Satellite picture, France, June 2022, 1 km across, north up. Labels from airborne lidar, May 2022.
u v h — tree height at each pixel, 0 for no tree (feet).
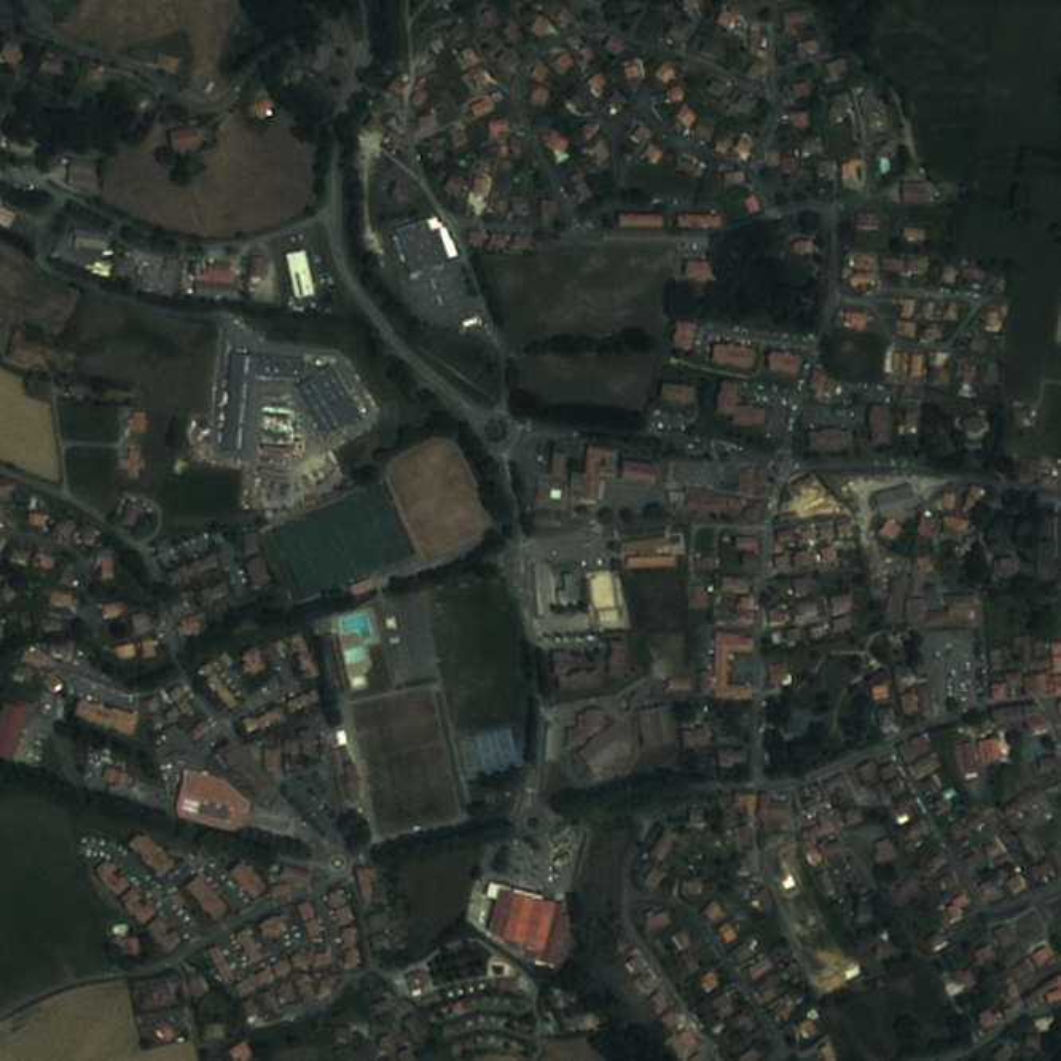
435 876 0
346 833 52
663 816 0
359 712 0
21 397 0
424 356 0
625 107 22
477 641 0
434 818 0
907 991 0
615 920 28
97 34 0
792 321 90
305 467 0
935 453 18
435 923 0
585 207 25
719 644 0
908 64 0
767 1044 25
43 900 0
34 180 0
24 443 0
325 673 36
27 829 0
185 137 0
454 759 0
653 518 42
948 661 0
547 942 0
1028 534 57
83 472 0
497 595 0
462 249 0
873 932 51
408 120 0
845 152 0
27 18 37
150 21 0
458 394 0
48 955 0
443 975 28
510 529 27
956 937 0
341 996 0
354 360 0
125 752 41
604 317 0
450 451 0
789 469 0
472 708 0
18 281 0
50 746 0
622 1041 57
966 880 0
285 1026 0
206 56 0
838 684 0
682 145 0
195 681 22
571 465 38
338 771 0
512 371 32
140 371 0
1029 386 0
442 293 0
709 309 86
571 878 0
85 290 23
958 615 0
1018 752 29
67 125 78
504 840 73
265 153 0
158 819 80
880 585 0
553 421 38
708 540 0
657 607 0
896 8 0
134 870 0
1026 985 0
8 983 0
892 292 0
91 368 0
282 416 0
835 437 0
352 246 23
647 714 0
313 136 78
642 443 39
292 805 32
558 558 0
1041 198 0
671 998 0
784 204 54
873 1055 0
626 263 0
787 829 0
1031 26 0
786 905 0
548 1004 28
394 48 91
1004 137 0
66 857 0
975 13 0
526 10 35
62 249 0
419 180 0
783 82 24
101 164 39
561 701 0
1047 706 0
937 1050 23
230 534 24
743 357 0
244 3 55
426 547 0
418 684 0
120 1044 0
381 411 0
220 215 0
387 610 0
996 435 41
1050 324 0
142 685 43
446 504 0
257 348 0
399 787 0
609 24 34
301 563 0
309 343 0
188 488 0
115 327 0
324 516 0
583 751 0
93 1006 0
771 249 82
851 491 0
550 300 0
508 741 0
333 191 0
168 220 0
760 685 0
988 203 38
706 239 0
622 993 0
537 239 24
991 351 0
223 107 0
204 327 0
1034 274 0
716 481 0
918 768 0
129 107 28
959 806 19
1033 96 0
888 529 0
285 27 53
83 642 23
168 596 81
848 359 0
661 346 0
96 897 0
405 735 0
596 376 0
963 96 0
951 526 0
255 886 0
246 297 41
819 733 69
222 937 0
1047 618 31
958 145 0
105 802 81
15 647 49
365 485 52
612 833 0
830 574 0
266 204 0
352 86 0
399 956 23
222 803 0
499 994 25
